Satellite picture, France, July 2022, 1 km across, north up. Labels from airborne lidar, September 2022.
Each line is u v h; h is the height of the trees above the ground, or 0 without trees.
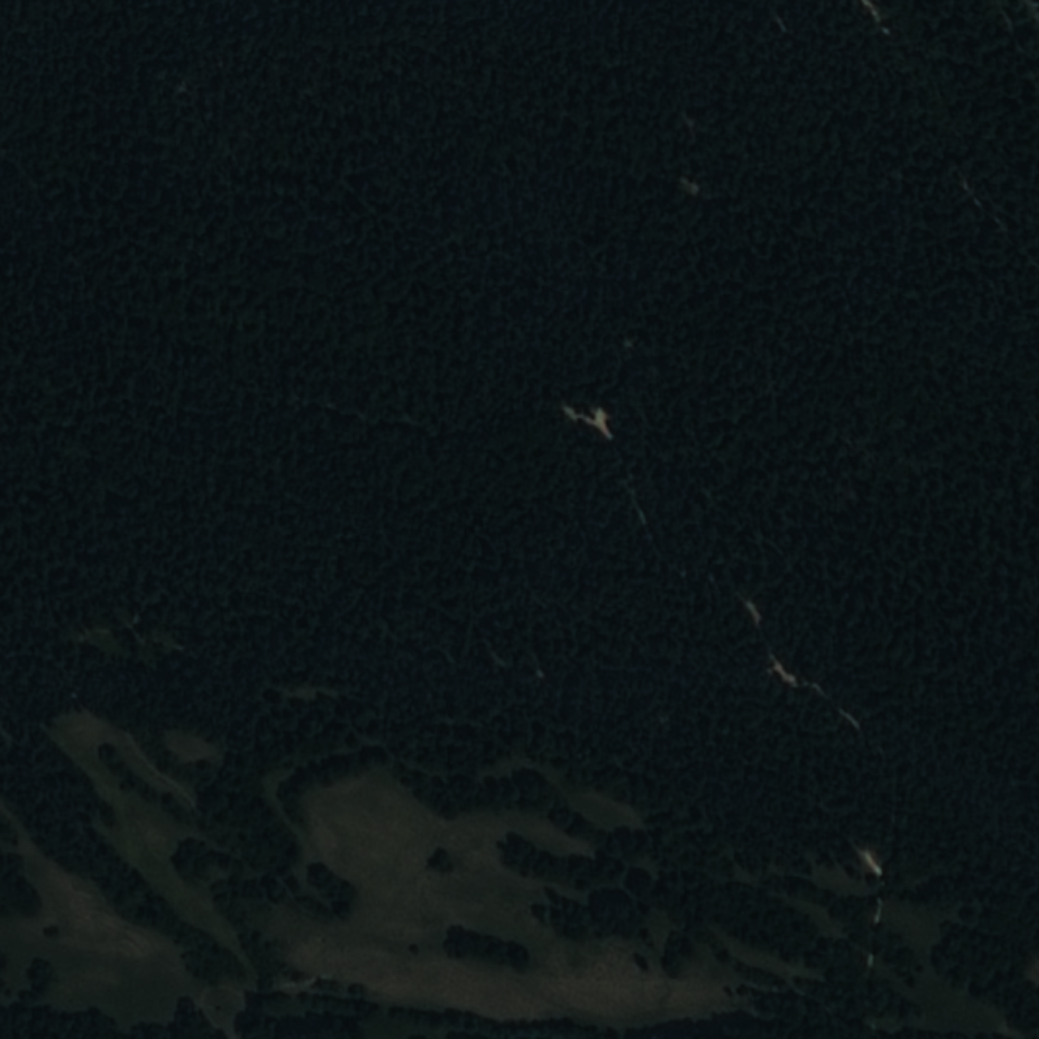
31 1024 18
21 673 23
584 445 24
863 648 25
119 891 17
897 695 25
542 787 24
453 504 23
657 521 30
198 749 0
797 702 16
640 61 21
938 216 30
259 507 24
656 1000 0
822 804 16
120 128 23
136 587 29
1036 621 24
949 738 26
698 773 23
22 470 23
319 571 17
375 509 28
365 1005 15
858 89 28
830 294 19
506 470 23
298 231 33
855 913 14
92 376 16
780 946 16
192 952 6
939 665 29
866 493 28
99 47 25
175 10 32
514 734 24
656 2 28
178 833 0
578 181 28
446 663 34
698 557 25
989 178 25
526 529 31
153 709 19
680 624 21
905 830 17
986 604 26
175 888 0
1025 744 21
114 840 0
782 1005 18
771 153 21
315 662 30
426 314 27
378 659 27
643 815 9
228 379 25
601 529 13
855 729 22
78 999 0
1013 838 25
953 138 28
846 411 12
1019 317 25
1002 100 37
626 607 23
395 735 15
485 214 35
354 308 25
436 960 0
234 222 27
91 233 26
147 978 0
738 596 13
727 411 27
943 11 16
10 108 15
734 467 16
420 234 31
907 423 27
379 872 0
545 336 32
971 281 35
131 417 30
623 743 17
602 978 0
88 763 0
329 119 23
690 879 25
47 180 13
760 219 16
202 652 20
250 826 8
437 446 28
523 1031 16
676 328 16
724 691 26
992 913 17
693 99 25
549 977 0
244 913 6
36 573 27
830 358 21
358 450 19
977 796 34
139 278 25
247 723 17
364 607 28
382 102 28
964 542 9
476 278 30
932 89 22
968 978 7
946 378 12
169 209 27
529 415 27
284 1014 0
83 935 0
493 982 0
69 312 15
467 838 0
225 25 36
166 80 6
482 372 24
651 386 26
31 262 27
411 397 21
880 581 18
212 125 26
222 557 23
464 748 19
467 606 21
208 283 21
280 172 7
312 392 30
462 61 24
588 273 14
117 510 25
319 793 0
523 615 28
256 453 18
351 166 29
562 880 6
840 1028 20
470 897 0
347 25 20
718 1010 0
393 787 0
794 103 30
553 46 18
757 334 24
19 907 19
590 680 32
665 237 29
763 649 30
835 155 27
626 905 19
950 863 19
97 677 28
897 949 9
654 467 20
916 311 12
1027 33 31
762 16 32
